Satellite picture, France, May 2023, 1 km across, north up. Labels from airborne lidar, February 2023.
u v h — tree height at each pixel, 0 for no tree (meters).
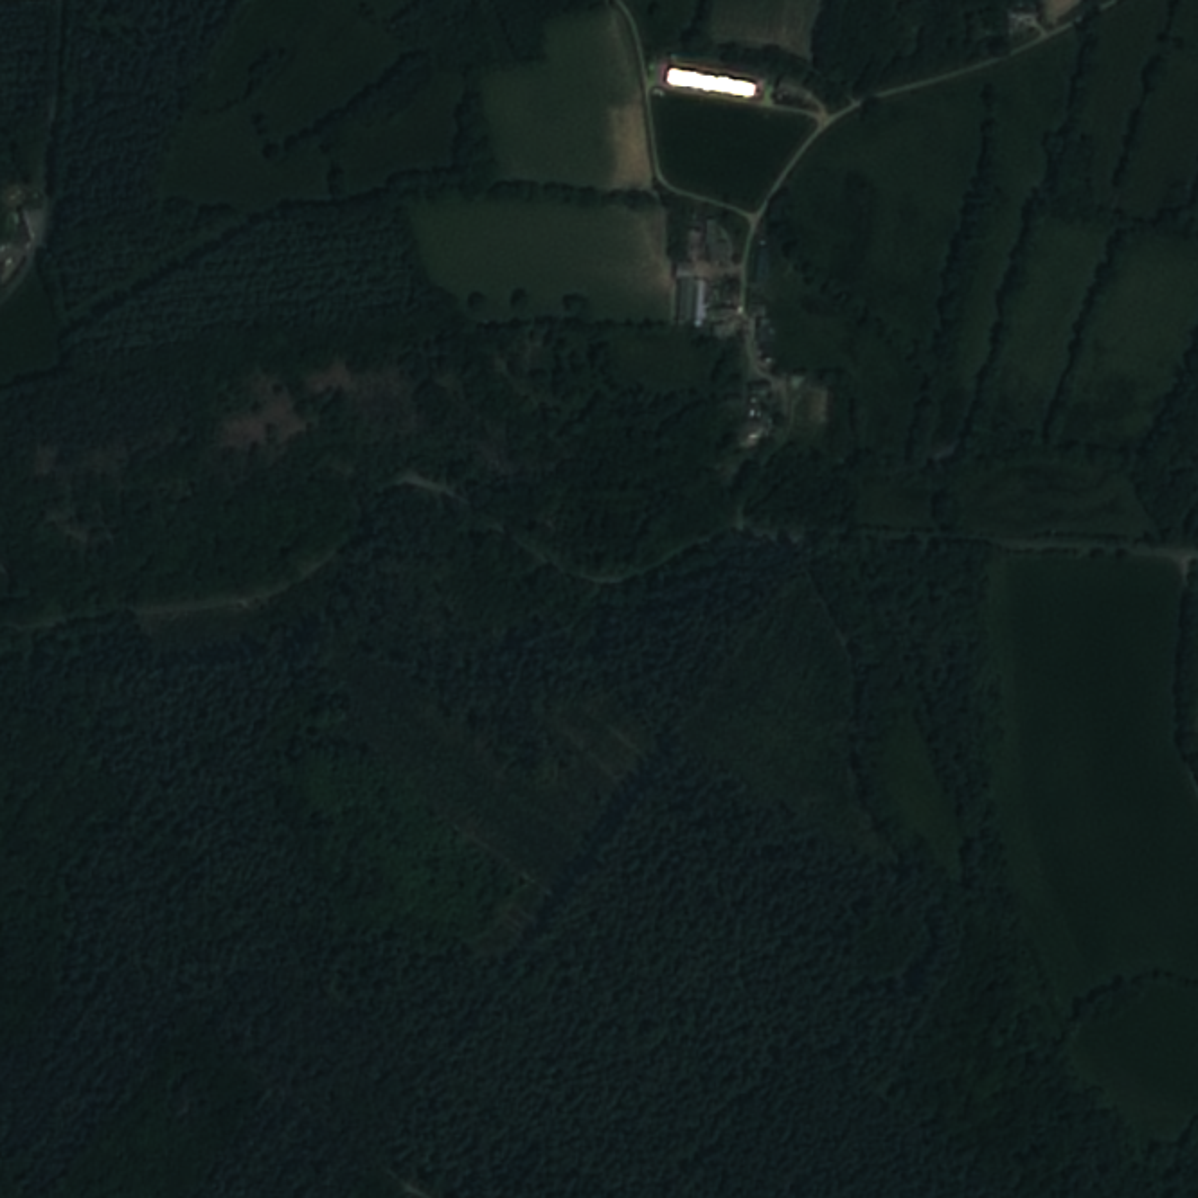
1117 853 0
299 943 19
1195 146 0
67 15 13
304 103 0
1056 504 0
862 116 7
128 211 21
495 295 0
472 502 18
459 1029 25
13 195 0
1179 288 0
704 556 18
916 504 0
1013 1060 11
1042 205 17
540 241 0
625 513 7
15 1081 21
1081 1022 11
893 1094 12
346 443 12
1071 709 0
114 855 33
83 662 24
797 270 9
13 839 20
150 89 22
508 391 16
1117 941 0
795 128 0
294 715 15
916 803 0
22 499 13
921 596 14
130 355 19
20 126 16
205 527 19
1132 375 0
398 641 23
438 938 14
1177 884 0
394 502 16
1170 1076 0
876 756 18
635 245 0
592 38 0
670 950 22
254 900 30
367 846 17
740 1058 28
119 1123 21
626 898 32
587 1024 23
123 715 18
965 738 15
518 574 7
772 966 29
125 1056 21
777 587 29
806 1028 27
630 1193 30
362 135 0
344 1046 18
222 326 16
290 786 19
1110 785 0
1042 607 0
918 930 14
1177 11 11
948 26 12
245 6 8
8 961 19
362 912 21
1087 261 0
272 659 9
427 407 15
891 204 0
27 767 15
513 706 27
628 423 13
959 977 17
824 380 11
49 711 13
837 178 0
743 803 26
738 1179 16
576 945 21
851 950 13
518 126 0
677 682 26
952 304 18
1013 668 0
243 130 0
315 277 13
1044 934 0
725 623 25
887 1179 23
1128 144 14
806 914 31
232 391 10
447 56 10
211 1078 17
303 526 17
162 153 14
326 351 16
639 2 0
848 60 12
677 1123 30
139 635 19
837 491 10
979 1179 24
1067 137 16
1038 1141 19
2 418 14
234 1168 23
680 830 26
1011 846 0
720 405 10
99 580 21
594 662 27
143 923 23
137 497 12
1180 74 0
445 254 0
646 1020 29
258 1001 15
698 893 27
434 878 18
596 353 13
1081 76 14
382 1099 19
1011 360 0
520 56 9
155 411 14
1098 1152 17
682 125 0
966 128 0
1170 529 11
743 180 0
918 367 11
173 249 14
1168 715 0
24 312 0
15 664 23
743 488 19
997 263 0
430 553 14
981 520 0
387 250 18
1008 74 0
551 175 0
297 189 0
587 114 0
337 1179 18
